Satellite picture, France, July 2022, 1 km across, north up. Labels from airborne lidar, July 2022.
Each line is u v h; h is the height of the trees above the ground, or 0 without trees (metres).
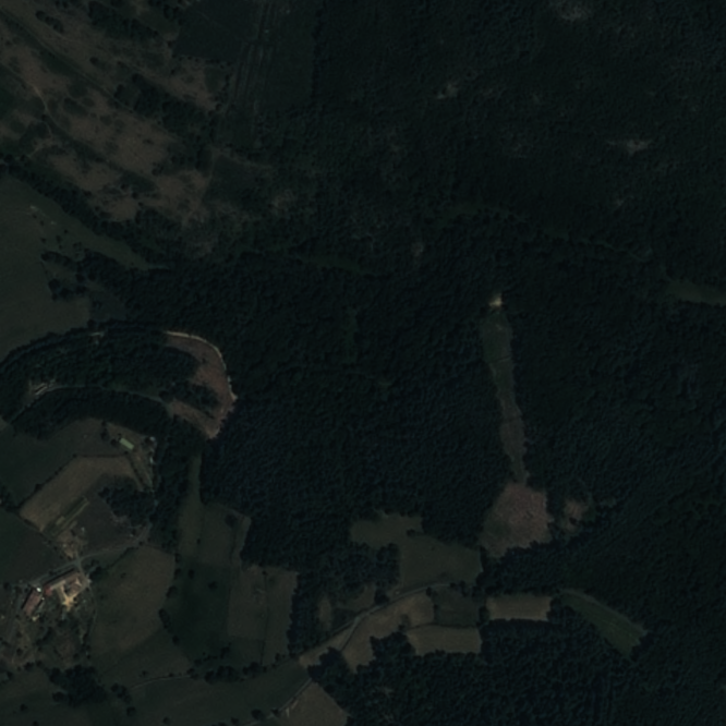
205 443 23
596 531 25
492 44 16
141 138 0
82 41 0
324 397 13
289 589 0
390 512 15
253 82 0
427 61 13
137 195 11
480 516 15
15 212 0
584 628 27
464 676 13
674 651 21
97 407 15
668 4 22
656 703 18
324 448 22
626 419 16
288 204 9
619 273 13
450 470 26
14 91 0
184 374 22
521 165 18
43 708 0
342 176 10
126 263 0
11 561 0
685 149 12
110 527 0
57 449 0
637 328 31
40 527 0
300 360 11
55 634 10
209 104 0
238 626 0
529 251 30
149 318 15
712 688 21
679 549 16
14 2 0
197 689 0
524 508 0
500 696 12
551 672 17
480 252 18
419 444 29
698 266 18
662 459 23
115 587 0
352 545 12
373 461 11
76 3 11
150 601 0
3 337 0
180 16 15
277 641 0
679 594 13
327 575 16
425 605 0
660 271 14
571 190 17
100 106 0
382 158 14
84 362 17
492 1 11
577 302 24
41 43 0
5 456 0
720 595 24
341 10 19
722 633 17
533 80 13
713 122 10
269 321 26
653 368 30
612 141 9
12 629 0
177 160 8
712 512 13
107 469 0
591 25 13
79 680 20
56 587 0
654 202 17
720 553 19
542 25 12
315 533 11
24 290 0
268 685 0
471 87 12
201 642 0
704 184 14
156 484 10
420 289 30
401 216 16
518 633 30
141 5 0
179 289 22
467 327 22
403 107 14
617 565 18
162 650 0
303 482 18
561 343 25
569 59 9
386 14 18
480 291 17
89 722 0
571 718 30
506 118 12
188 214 0
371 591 0
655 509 18
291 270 28
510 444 0
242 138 0
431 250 24
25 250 0
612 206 11
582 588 14
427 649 0
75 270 13
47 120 9
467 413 15
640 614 25
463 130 17
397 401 21
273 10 0
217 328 16
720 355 26
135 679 0
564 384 26
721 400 18
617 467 18
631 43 9
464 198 15
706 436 27
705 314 23
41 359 11
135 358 18
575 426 25
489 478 19
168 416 11
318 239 15
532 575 26
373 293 23
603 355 26
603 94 13
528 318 20
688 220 23
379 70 15
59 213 0
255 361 21
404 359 23
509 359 0
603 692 34
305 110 10
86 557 0
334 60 21
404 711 7
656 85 13
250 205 14
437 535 13
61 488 0
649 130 9
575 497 19
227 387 0
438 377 24
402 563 0
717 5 14
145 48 0
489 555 17
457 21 13
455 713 14
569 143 17
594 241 19
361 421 21
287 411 16
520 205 19
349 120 15
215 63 9
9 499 14
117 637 0
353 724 16
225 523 0
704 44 19
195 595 0
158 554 0
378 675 27
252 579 0
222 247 9
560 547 23
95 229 17
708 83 10
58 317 0
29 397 0
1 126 0
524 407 19
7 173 19
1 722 0
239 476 12
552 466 15
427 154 22
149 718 0
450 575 0
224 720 0
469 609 0
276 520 15
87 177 0
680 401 35
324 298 27
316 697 0
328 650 0
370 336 15
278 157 12
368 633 0
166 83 0
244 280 21
